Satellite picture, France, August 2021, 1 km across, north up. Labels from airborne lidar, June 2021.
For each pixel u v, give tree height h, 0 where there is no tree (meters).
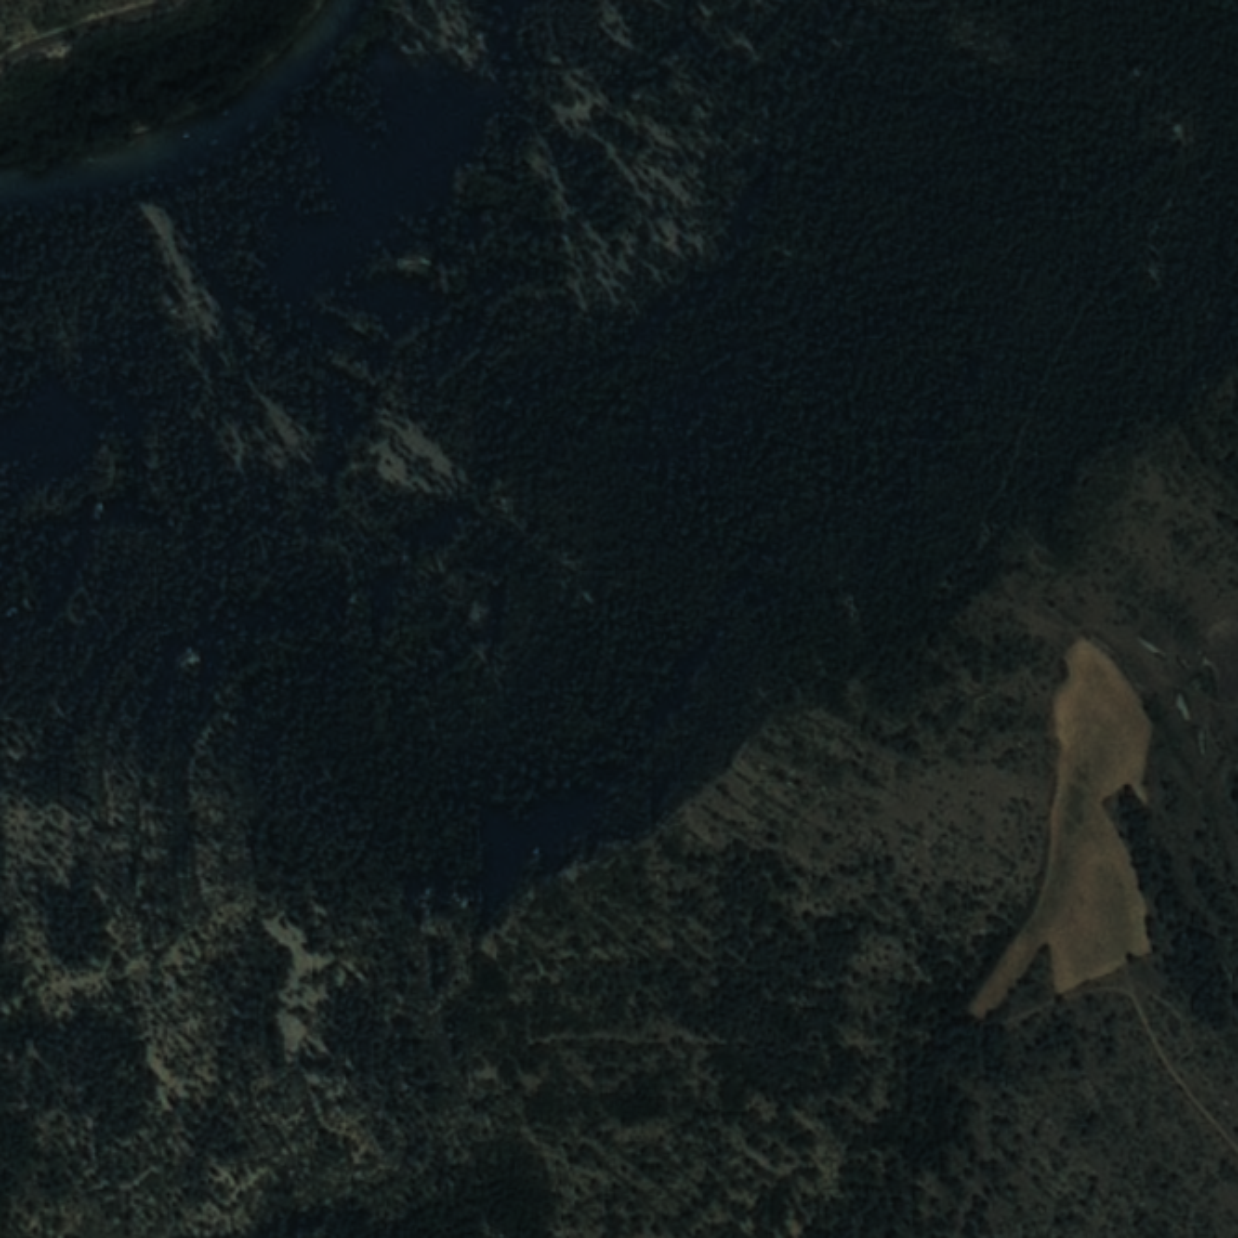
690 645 8
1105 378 7
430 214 8
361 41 18
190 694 12
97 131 18
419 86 14
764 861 7
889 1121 10
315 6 0
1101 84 7
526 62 13
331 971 6
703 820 0
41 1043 7
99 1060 9
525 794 13
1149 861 10
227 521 7
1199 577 0
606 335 7
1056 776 0
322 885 10
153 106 18
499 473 6
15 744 10
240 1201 6
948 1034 13
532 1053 6
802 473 7
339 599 8
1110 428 8
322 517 10
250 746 9
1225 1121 0
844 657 6
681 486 6
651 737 6
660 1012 7
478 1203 11
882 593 8
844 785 0
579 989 5
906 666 8
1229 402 6
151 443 16
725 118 7
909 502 9
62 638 11
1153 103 6
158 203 6
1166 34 6
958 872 0
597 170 8
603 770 10
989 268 6
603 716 7
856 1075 7
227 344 5
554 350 5
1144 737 0
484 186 8
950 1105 9
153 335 16
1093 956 0
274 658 7
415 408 9
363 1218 10
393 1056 7
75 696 10
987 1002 0
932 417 9
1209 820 6
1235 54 9
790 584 8
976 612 0
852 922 9
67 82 9
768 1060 12
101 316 10
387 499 7
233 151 10
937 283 6
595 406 8
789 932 8
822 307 7
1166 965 6
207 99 15
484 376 6
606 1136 7
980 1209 6
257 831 10
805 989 10
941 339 9
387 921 10
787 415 7
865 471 7
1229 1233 0
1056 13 8
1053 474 6
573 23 12
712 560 7
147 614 13
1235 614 0
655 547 7
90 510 6
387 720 7
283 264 19
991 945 9
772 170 7
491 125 8
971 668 6
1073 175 9
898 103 6
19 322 10
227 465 18
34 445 31
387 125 20
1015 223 7
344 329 8
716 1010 7
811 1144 7
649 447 6
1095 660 0
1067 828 0
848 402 7
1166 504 0
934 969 6
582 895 0
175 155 0
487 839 7
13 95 10
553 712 8
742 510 6
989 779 0
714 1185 6
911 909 7
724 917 8
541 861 6
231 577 14
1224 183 10
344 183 22
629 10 12
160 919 9
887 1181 10
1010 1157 7
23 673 15
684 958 7
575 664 5
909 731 7
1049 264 6
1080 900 0
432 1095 11
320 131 9
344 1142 7
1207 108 7
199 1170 8
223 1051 7
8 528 13
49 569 10
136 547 11
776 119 8
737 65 8
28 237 12
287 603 8
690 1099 5
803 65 6
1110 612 0
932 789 0
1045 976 0
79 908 8
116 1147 8
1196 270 7
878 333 11
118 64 16
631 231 6
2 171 0
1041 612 0
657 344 7
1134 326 7
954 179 6
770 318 7
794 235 6
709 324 7
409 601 7
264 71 0
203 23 6
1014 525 6
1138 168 6
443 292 10
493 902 7
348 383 9
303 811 12
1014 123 7
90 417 22
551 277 10
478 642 9
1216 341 7
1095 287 6
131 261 10
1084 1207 7
